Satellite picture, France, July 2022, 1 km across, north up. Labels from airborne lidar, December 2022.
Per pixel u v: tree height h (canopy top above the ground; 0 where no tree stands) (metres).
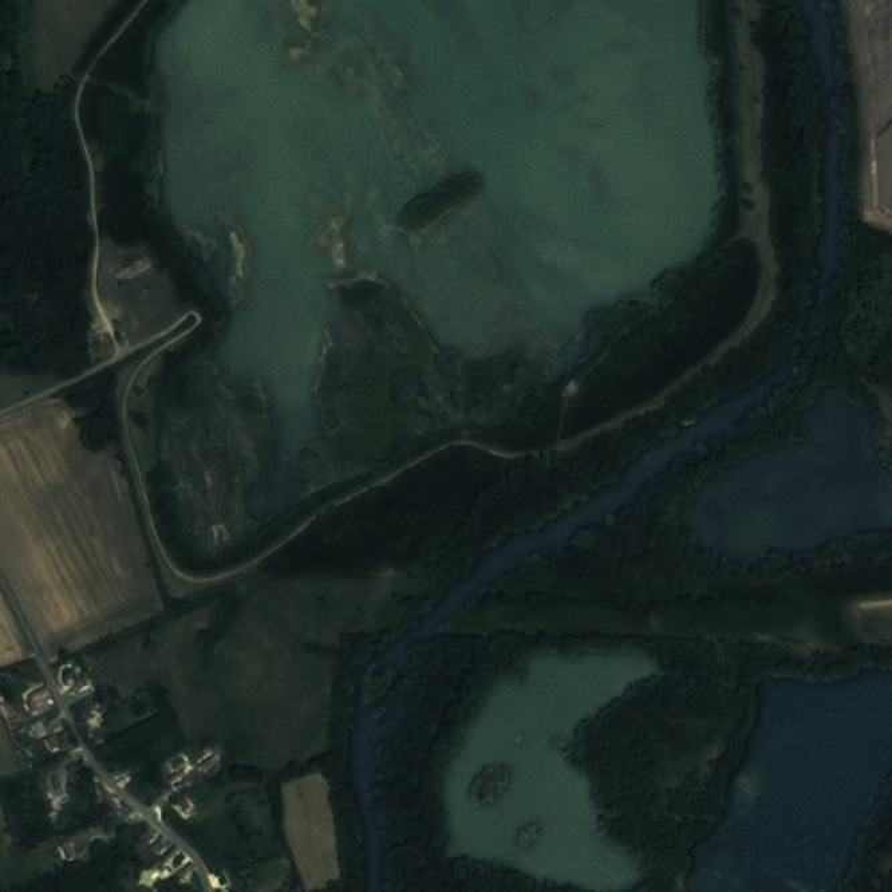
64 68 0
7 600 0
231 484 0
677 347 7
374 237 0
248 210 0
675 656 11
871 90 0
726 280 7
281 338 0
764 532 0
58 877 6
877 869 7
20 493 0
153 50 0
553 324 0
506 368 0
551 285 0
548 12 0
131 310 0
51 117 24
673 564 12
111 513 0
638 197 0
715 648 12
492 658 24
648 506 17
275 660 0
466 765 0
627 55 0
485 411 9
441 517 8
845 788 0
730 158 8
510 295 0
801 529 0
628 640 15
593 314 8
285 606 0
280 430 0
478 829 0
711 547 0
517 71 0
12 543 0
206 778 10
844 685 0
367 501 8
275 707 0
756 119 0
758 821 0
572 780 0
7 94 23
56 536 0
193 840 12
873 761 0
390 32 0
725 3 8
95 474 0
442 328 0
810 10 0
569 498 17
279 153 0
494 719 0
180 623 0
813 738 0
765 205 0
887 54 0
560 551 6
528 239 0
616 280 0
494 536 14
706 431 0
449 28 0
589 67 0
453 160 0
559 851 0
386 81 0
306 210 0
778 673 14
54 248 26
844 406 0
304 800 0
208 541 0
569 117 0
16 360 19
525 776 0
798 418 17
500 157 0
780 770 0
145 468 0
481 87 0
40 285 20
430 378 0
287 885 8
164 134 0
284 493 0
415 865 33
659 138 0
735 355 7
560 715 0
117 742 13
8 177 30
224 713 0
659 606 15
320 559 7
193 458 0
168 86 0
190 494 0
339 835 8
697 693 24
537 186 0
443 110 0
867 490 0
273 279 0
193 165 0
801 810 0
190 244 0
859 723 0
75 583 0
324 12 0
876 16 0
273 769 0
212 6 0
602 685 0
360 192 0
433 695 16
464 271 0
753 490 0
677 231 0
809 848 0
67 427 0
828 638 0
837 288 19
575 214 0
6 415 0
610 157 0
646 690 21
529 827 6
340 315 0
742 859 0
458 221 0
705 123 0
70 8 0
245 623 0
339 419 0
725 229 7
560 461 15
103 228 7
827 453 0
